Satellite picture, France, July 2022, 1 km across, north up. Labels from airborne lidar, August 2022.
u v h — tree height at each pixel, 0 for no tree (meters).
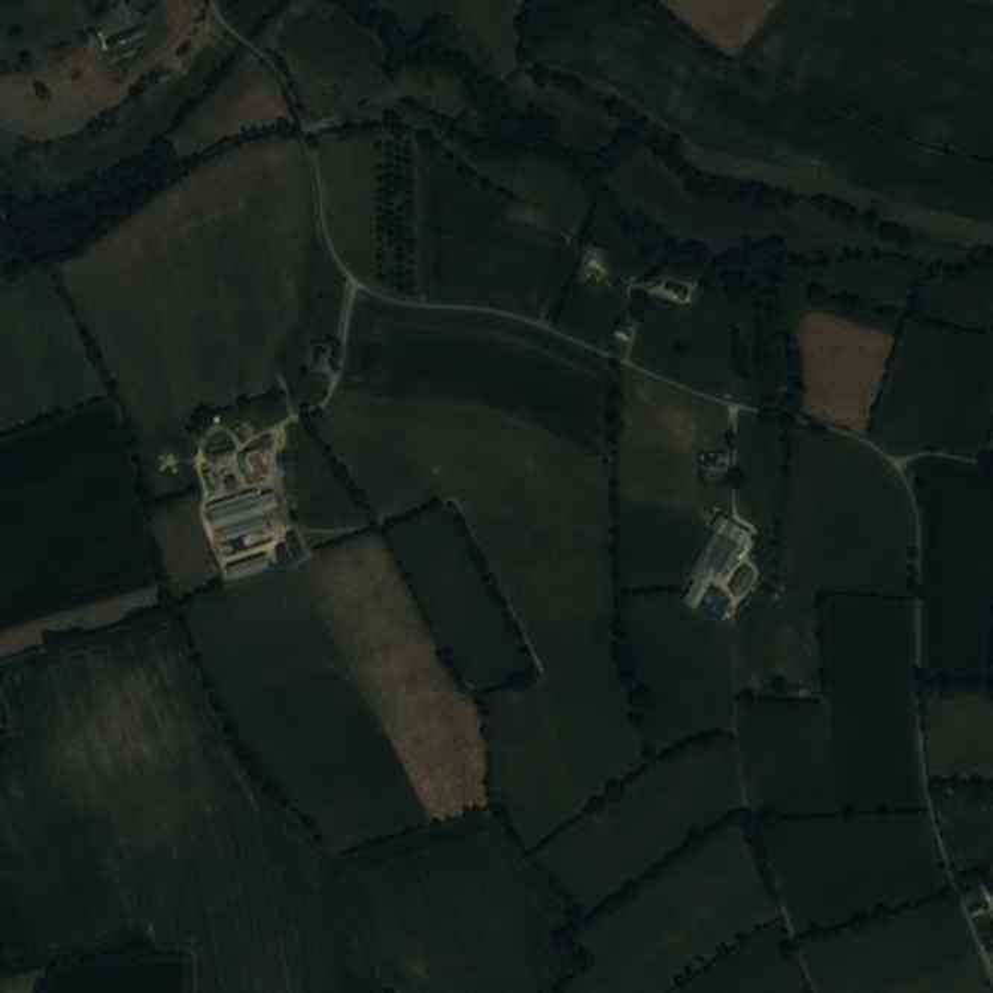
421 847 0
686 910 0
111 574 0
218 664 0
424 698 0
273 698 0
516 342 0
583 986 0
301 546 0
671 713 0
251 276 0
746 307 0
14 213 16
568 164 15
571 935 12
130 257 0
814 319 0
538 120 17
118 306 0
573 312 0
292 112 9
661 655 0
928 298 29
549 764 0
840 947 0
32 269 8
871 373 0
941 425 0
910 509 0
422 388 0
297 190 0
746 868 0
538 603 0
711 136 0
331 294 0
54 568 0
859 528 0
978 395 0
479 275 0
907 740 0
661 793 0
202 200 0
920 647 0
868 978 0
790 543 0
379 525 10
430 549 0
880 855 0
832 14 0
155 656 0
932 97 0
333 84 0
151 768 0
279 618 0
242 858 0
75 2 0
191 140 0
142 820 0
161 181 11
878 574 0
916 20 0
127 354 0
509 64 0
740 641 0
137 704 0
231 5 7
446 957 0
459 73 10
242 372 0
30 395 0
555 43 0
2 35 0
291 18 0
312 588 0
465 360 0
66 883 0
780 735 0
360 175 0
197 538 0
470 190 0
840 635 0
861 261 12
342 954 0
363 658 0
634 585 0
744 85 0
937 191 0
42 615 0
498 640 0
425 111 7
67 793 0
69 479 0
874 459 0
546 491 0
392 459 0
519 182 0
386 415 0
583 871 0
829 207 10
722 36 0
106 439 0
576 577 0
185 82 0
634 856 0
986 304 0
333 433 0
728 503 0
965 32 0
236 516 0
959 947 0
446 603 0
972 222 0
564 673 0
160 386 0
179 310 0
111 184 19
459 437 0
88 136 11
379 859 0
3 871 0
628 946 0
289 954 0
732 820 12
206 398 0
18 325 0
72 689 0
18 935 0
